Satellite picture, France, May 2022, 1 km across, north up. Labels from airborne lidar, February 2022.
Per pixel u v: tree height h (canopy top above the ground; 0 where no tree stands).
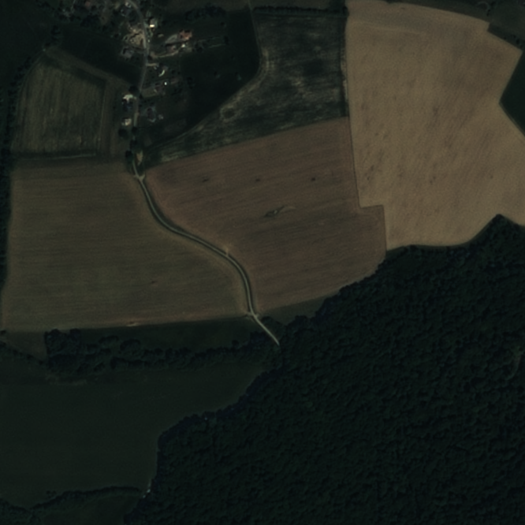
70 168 0
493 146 0
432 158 0
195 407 0
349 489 22
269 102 0
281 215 0
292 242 0
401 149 0
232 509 29
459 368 32
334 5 0
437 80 0
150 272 0
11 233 0
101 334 0
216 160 0
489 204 0
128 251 0
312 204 0
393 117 0
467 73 0
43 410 0
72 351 22
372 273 0
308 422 24
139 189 0
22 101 0
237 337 0
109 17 0
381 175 0
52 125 0
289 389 23
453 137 0
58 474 0
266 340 26
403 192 0
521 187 0
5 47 0
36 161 0
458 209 0
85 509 0
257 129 0
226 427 29
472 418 30
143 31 0
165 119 0
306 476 24
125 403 0
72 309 0
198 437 30
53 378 0
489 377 24
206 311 0
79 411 0
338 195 0
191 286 0
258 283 0
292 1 0
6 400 0
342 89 0
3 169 12
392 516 27
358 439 25
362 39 0
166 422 0
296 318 0
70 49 0
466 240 0
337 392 25
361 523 26
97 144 0
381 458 25
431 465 29
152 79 0
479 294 26
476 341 12
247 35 0
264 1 0
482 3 0
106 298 0
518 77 0
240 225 0
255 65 0
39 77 0
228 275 0
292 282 0
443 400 25
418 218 0
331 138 0
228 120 0
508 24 0
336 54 0
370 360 26
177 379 0
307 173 0
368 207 0
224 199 0
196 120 0
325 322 28
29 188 0
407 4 0
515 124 0
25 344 0
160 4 0
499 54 0
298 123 0
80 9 11
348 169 0
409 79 0
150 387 0
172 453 26
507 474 26
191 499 29
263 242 0
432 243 0
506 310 26
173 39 0
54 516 0
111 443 0
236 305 0
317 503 25
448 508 31
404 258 9
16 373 0
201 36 0
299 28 0
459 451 29
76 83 0
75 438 0
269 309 0
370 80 0
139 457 0
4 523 22
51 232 0
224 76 0
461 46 0
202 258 0
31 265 0
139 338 0
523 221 0
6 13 0
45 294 0
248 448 29
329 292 0
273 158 0
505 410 29
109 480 0
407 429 28
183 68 0
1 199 12
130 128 0
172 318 0
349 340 25
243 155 0
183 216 0
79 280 0
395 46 0
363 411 24
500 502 31
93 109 0
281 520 23
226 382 0
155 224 0
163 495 29
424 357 29
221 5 0
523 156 0
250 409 25
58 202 0
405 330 26
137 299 0
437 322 26
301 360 26
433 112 0
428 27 0
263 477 22
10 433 0
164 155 0
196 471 29
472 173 0
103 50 0
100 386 0
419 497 28
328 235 0
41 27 0
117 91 0
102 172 0
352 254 0
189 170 0
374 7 0
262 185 0
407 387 24
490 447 28
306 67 0
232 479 27
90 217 0
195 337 0
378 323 26
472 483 28
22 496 0
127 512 0
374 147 0
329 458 25
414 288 25
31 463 0
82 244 0
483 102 0
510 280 29
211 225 0
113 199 0
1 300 0
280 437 25
